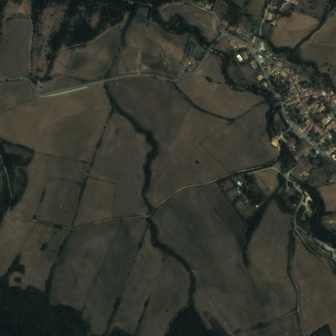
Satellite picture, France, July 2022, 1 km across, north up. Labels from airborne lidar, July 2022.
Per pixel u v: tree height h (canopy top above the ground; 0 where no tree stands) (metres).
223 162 0
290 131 8
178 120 0
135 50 0
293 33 0
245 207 0
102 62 0
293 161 7
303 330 0
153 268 0
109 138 0
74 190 0
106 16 11
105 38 0
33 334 10
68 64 0
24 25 0
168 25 8
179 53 0
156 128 0
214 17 0
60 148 0
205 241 0
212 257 0
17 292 12
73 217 0
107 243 0
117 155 0
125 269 0
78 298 0
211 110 0
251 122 0
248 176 13
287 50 15
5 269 0
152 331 0
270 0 8
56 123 0
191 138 0
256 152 0
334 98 0
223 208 0
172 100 0
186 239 0
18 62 0
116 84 0
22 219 0
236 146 0
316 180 0
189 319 11
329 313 0
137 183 0
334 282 0
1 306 11
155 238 10
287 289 0
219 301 0
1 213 9
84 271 0
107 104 0
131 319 0
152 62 0
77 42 11
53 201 0
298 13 0
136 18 0
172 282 0
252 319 0
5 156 8
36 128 0
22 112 0
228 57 13
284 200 7
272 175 0
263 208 12
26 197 0
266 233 0
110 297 0
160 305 0
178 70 0
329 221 0
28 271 0
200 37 7
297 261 0
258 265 0
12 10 0
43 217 0
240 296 0
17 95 0
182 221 0
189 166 0
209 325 0
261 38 14
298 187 0
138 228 0
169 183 0
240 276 0
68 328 10
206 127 0
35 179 0
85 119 0
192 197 0
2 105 0
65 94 0
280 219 0
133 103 0
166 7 0
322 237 17
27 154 0
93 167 0
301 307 0
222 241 0
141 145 0
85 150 0
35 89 0
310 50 0
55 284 0
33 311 10
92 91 0
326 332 16
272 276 0
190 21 0
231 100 0
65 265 0
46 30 0
